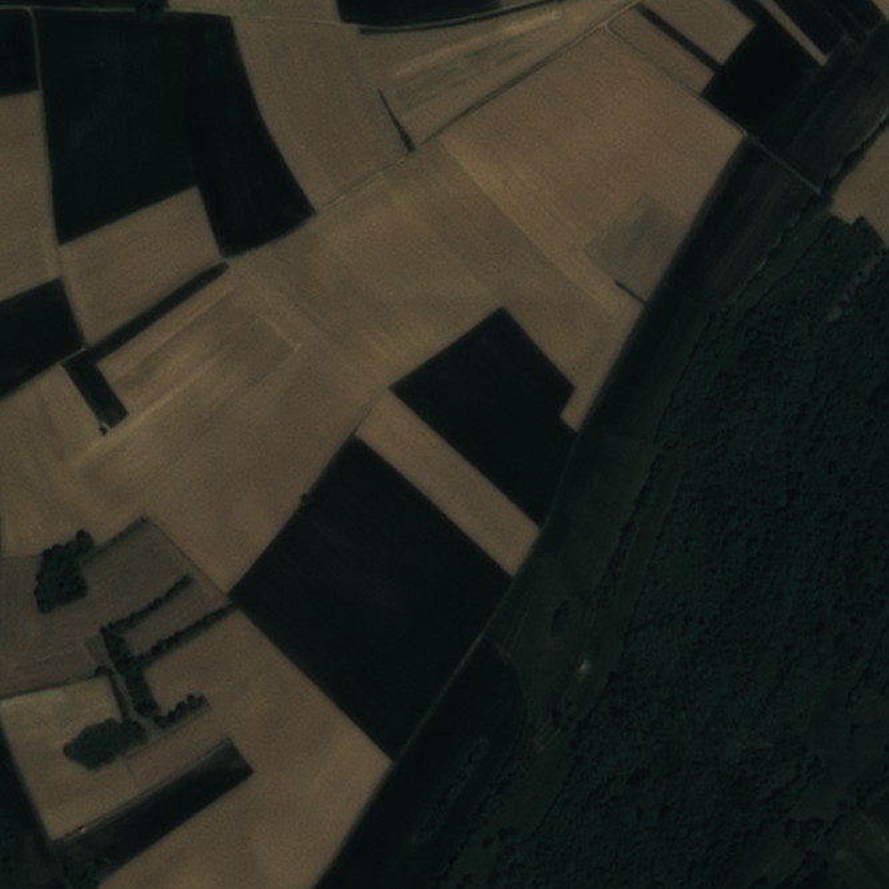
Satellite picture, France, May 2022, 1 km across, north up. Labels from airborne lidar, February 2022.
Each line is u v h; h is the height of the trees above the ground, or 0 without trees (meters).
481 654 0
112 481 0
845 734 0
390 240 0
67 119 0
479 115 0
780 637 12
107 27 0
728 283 0
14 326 0
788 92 0
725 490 9
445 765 0
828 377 7
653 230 0
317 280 0
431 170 0
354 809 0
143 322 0
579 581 0
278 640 0
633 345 0
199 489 0
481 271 0
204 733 0
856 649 8
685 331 0
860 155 7
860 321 7
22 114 0
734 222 0
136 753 0
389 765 0
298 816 0
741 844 13
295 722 0
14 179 0
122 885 0
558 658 0
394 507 0
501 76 0
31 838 0
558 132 0
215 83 0
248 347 0
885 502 7
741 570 7
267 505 0
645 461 0
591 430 0
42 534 0
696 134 0
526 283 0
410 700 0
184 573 0
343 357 0
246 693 0
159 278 0
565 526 0
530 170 0
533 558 0
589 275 0
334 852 0
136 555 0
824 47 0
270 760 0
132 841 0
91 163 0
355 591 0
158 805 0
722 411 17
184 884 0
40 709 0
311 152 0
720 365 6
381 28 0
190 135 0
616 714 18
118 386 0
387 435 0
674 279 0
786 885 9
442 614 0
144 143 0
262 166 0
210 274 0
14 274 0
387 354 0
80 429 0
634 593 0
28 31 0
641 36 0
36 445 0
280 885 0
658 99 0
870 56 0
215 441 0
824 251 5
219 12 0
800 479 12
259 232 0
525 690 0
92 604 0
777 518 13
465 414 0
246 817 0
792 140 0
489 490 0
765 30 0
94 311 0
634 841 6
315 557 0
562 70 0
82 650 0
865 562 6
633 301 0
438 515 0
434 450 0
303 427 0
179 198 0
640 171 0
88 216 0
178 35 0
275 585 0
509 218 0
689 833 14
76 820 0
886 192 0
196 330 0
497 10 0
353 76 0
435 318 0
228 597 0
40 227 0
